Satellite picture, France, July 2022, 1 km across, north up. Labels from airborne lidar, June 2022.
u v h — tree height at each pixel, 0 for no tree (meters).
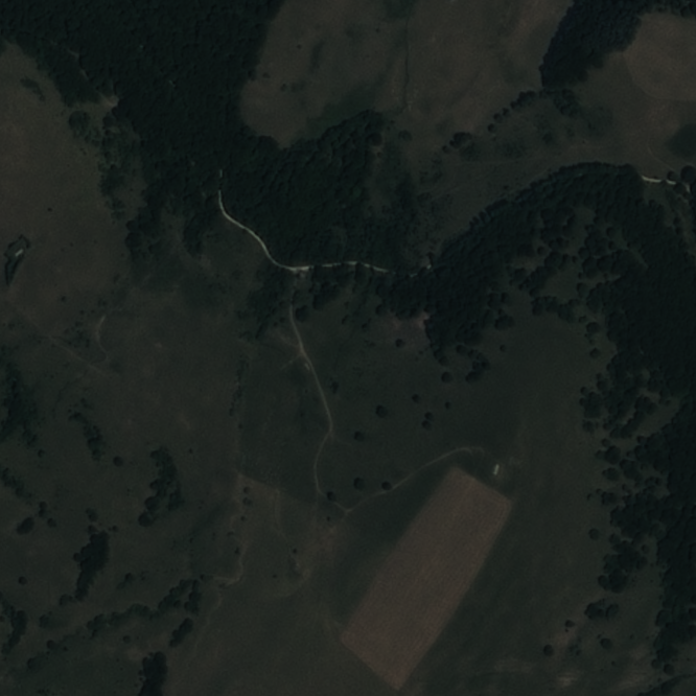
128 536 0
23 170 0
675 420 9
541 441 0
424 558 0
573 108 5
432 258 14
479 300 12
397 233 6
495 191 0
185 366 0
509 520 0
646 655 0
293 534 0
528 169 0
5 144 0
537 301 8
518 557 0
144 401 0
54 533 0
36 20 16
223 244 0
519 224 15
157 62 15
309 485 0
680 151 0
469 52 0
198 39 20
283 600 0
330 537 0
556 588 0
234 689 0
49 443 0
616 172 14
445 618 0
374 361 0
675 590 13
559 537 0
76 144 0
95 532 8
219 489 0
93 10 15
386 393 0
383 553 0
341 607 0
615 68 0
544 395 0
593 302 7
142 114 15
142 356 0
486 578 0
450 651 0
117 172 6
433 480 0
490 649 0
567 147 0
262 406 0
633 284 16
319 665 0
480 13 0
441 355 10
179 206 7
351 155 16
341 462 0
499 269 7
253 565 0
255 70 9
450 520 0
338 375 0
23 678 0
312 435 0
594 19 21
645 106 0
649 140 0
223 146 20
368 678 0
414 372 0
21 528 8
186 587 7
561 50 21
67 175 0
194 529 0
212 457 0
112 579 0
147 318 0
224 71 16
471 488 0
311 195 18
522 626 0
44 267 0
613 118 0
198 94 18
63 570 0
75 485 0
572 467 0
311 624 0
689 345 17
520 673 0
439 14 0
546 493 0
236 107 9
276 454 0
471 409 0
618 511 10
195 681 0
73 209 0
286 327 0
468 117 0
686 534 14
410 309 8
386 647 0
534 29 0
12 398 7
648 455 14
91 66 16
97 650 0
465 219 0
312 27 0
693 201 10
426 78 0
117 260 0
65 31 8
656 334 18
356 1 0
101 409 0
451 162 0
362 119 6
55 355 0
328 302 9
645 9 22
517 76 0
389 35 0
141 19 9
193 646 0
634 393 14
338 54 0
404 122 0
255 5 12
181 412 0
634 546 8
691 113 0
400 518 0
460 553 0
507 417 0
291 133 0
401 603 0
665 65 0
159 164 15
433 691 0
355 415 0
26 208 0
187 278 0
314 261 10
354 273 7
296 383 0
